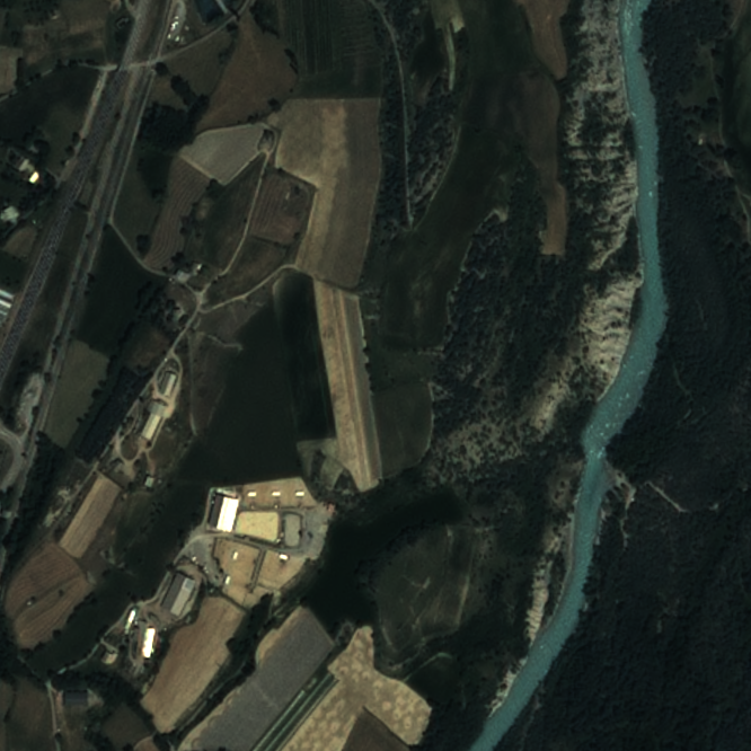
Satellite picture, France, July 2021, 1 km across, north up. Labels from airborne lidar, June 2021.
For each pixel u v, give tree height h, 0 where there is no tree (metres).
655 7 10
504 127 0
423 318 0
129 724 0
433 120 6
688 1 9
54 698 0
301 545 0
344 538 0
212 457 0
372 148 0
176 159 0
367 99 0
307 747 0
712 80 0
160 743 13
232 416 0
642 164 0
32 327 0
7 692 0
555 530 7
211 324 0
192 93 20
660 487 8
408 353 0
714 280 6
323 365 0
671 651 18
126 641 8
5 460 0
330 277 0
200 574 0
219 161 0
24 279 0
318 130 0
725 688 7
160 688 0
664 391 10
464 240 0
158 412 0
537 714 9
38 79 11
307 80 0
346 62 0
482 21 0
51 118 0
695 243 6
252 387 0
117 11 0
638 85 0
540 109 0
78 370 0
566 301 8
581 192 8
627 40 0
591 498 0
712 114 12
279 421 0
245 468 0
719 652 14
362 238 0
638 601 15
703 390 8
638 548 12
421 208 7
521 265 9
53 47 0
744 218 9
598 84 0
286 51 0
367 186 0
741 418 10
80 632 0
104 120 0
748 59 0
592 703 20
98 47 0
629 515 9
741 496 12
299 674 0
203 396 0
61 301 0
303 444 0
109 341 0
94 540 0
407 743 0
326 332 0
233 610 0
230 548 0
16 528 13
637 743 8
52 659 0
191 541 0
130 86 0
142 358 0
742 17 0
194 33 0
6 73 0
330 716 0
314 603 0
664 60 11
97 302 0
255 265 0
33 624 0
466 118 0
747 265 16
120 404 6
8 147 8
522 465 7
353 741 0
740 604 17
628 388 0
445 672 0
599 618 14
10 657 17
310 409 0
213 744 0
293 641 0
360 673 0
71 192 0
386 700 0
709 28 11
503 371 9
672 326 10
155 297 6
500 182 0
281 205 0
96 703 0
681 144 12
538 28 0
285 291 0
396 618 0
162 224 0
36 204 12
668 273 9
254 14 12
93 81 0
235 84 0
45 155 14
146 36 0
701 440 11
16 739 0
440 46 0
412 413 0
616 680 19
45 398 0
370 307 0
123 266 0
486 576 0
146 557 0
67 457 6
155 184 0
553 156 0
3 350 0
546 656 0
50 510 0
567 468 0
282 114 0
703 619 13
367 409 0
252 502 0
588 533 0
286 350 0
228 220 0
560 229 0
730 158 21
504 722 0
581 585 0
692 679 10
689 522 12
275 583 0
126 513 0
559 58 0
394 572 0
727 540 15
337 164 0
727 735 16
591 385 8
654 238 0
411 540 11
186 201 0
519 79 0
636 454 19
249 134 0
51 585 0
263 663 0
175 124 18
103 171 0
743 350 7
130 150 0
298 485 0
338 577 0
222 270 0
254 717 0
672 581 12
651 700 19
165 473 0
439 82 7
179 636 0
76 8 0
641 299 7
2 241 12
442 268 0
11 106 0
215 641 0
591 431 0
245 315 0
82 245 0
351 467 0
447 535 0
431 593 0
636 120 0
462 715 12
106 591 0
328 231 0
